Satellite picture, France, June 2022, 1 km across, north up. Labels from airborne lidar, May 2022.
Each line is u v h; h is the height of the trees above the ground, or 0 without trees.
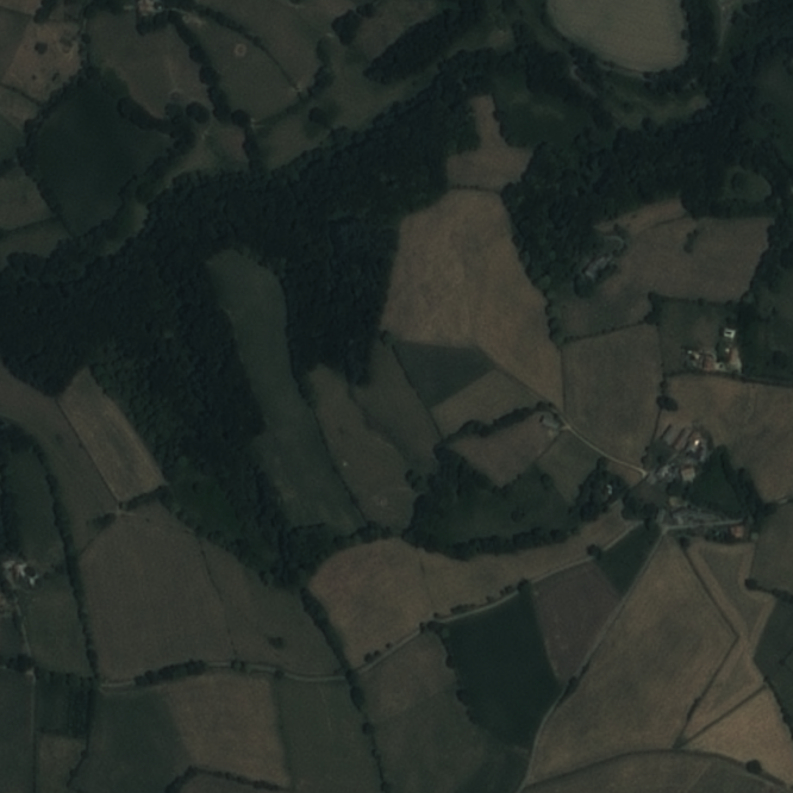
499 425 13
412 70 18
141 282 27
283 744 0
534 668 0
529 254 16
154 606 0
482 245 0
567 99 10
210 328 28
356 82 0
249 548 17
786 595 10
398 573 0
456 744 0
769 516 9
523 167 0
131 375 8
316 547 15
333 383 0
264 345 0
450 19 25
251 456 10
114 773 0
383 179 20
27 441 19
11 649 0
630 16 0
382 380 0
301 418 0
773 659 0
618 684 0
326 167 19
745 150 23
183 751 0
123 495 0
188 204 24
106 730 0
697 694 0
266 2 0
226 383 25
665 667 0
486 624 0
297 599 0
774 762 0
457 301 0
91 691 10
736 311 10
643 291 0
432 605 0
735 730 0
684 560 0
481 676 0
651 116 0
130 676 0
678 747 0
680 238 0
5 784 0
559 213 25
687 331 0
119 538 0
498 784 0
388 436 0
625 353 0
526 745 0
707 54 19
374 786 0
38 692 0
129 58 0
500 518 0
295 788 0
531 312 0
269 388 0
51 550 0
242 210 30
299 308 24
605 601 0
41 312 27
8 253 0
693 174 20
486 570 0
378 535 16
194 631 0
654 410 0
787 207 20
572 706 0
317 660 0
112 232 19
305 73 0
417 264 0
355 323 23
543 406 11
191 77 0
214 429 32
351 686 10
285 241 29
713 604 0
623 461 0
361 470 0
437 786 0
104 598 0
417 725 0
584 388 0
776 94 0
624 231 11
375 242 22
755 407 0
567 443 0
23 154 17
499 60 15
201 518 0
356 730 0
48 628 0
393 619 0
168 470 11
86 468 0
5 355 25
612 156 21
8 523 22
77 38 16
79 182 0
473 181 0
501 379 0
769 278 19
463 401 0
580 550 0
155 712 0
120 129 0
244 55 0
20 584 0
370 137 14
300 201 22
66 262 23
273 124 0
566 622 0
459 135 21
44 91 0
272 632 0
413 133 31
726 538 8
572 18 0
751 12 25
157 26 10
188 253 20
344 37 18
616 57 0
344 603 0
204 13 7
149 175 7
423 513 22
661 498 0
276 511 21
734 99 22
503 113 10
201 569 0
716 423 0
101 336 24
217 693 0
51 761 0
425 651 0
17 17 0
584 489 15
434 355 0
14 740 0
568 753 0
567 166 20
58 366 29
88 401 0
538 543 19
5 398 0
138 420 9
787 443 0
